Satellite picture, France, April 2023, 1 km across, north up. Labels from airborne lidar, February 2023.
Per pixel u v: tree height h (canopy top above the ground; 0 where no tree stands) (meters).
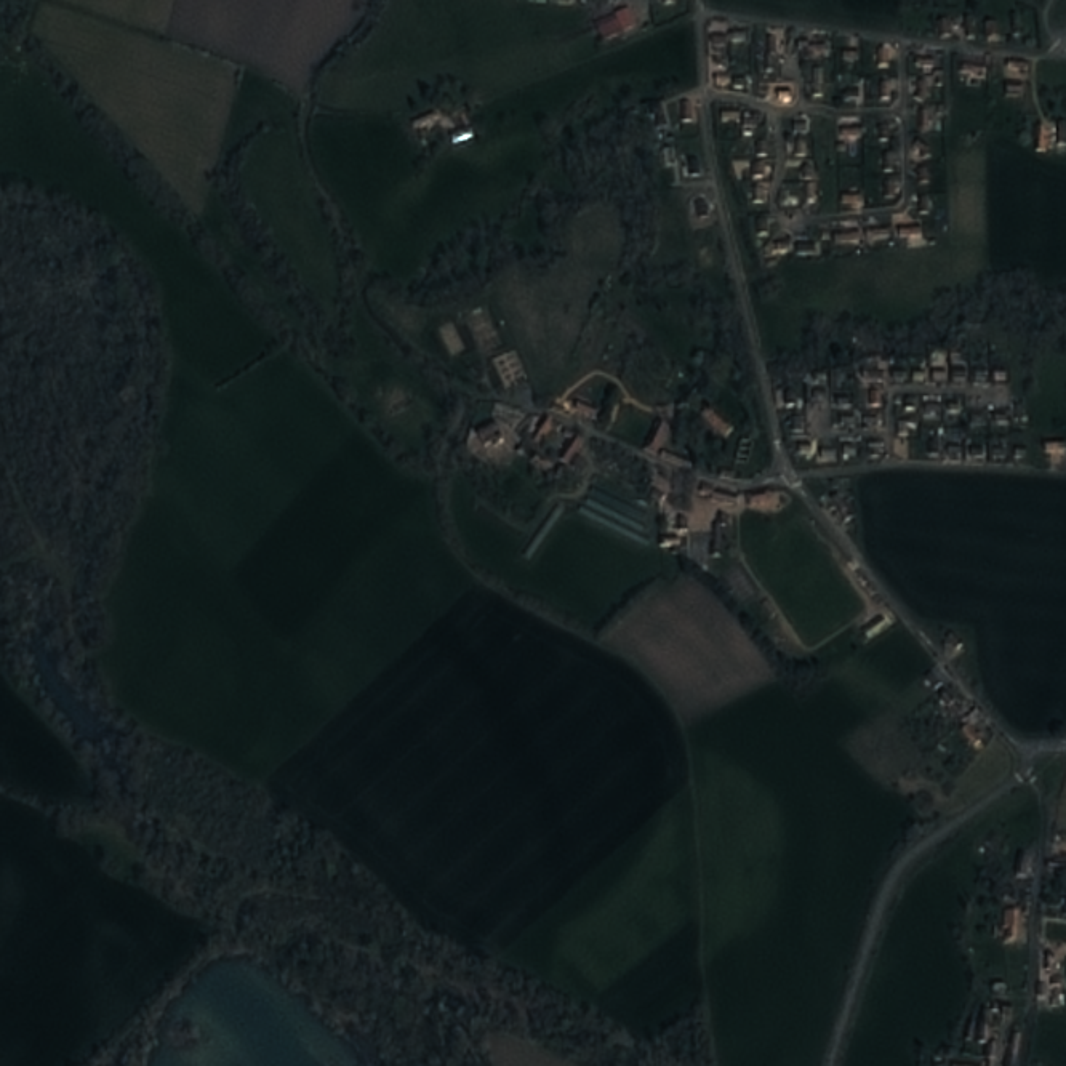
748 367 19
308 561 0
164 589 0
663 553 0
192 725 0
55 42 0
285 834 13
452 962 14
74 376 18
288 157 0
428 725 0
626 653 0
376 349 0
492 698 0
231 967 0
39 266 8
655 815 0
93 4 0
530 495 0
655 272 8
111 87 0
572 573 0
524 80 0
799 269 0
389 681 0
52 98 0
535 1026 17
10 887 0
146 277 13
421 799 0
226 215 0
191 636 0
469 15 0
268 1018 0
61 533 14
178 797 6
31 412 12
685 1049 11
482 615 0
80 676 14
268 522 0
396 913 20
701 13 0
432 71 0
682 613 0
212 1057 0
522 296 0
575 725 0
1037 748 0
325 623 0
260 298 19
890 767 0
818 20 0
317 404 0
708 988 0
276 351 12
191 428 0
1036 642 0
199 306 0
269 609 0
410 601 0
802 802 0
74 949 0
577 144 31
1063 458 0
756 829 0
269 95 0
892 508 0
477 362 0
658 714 0
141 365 23
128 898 0
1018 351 0
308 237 0
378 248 0
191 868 17
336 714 0
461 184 0
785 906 0
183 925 0
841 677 0
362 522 0
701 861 0
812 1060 0
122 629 0
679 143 0
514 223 0
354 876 25
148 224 0
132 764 24
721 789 0
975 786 0
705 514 0
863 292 0
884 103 0
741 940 0
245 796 10
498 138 0
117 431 21
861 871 0
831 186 0
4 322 21
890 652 0
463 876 0
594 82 0
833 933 0
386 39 0
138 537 0
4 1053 0
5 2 16
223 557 0
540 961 0
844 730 0
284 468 0
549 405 9
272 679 0
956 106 0
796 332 0
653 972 0
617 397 8
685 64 0
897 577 0
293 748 0
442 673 0
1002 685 0
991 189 0
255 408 0
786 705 0
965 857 0
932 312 7
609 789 0
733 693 0
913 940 0
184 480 0
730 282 10
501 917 0
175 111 0
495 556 0
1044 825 0
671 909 0
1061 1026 0
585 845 0
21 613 6
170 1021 0
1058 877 13
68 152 0
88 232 17
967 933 13
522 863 0
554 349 0
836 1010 0
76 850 0
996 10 0
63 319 7
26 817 0
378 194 0
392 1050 15
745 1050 0
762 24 0
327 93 0
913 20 0
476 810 0
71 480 22
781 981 0
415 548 0
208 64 0
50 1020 0
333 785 0
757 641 12
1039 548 0
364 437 0
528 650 0
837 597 0
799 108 0
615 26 0
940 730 9
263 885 12
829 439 0
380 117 0
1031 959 0
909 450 0
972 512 0
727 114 0
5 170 0
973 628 0
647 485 9
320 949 23
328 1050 0
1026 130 6
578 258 0
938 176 0
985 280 11
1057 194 0
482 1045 20
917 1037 0
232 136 0
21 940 0
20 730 0
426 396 0
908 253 0
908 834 14
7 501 14
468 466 14
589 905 0
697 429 20
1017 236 0
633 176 20
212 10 0
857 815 0
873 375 0
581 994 0
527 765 0
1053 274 0
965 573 0
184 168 0
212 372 0
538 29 0
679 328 0
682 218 0
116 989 0
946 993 0
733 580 0
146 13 0
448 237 0
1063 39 0
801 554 0
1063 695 0
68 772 0
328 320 14
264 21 0
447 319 0
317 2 0
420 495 0
